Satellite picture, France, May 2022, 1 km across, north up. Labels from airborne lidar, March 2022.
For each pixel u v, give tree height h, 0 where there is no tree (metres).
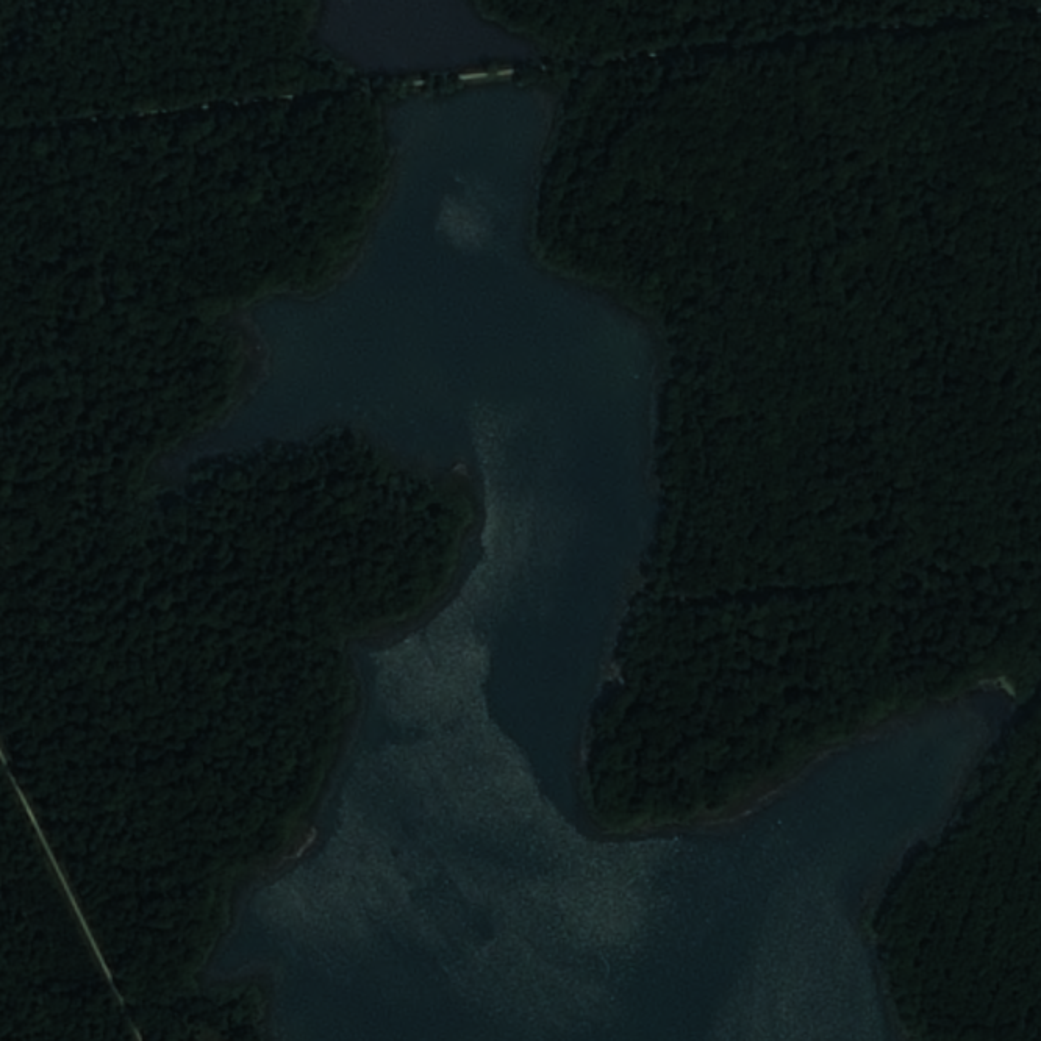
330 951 0
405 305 0
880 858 0
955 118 29
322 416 0
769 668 29
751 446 25
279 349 0
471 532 0
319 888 0
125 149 28
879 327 24
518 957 0
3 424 26
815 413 22
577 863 0
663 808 22
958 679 21
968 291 27
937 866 17
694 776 26
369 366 0
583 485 0
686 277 28
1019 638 23
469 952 0
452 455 0
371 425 0
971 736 0
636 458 0
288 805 25
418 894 0
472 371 0
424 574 24
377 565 27
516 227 0
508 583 0
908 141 27
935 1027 20
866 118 31
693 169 30
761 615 28
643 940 0
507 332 0
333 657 20
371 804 0
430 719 0
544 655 0
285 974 0
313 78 25
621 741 22
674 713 30
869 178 30
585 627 0
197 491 20
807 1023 0
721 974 0
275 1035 0
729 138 30
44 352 33
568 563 0
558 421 0
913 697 17
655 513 0
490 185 0
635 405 0
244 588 24
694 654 27
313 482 28
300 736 25
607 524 0
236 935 0
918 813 0
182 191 28
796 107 26
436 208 0
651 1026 0
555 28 19
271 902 0
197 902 24
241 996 7
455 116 0
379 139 15
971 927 17
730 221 29
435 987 0
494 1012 0
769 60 28
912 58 25
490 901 0
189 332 20
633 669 25
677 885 0
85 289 30
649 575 18
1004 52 29
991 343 28
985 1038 23
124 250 26
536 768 0
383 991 0
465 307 0
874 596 28
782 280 27
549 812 0
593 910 0
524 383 0
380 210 0
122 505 20
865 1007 0
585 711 0
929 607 29
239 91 24
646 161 29
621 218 27
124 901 23
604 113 21
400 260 0
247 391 0
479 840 0
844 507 30
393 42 0
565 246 21
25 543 29
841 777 0
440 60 0
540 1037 0
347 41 0
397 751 0
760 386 23
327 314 0
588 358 0
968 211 29
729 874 0
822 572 28
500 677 0
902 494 29
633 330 0
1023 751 19
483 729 0
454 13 0
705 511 24
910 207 25
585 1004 0
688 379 23
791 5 28
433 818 0
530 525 0
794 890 0
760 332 24
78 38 25
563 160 18
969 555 24
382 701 0
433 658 0
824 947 0
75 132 29
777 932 0
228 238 30
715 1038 0
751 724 29
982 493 29
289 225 27
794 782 0
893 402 26
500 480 0
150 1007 22
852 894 0
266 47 26
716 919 0
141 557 28
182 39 26
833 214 24
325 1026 0
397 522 25
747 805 0
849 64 25
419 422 0
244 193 32
